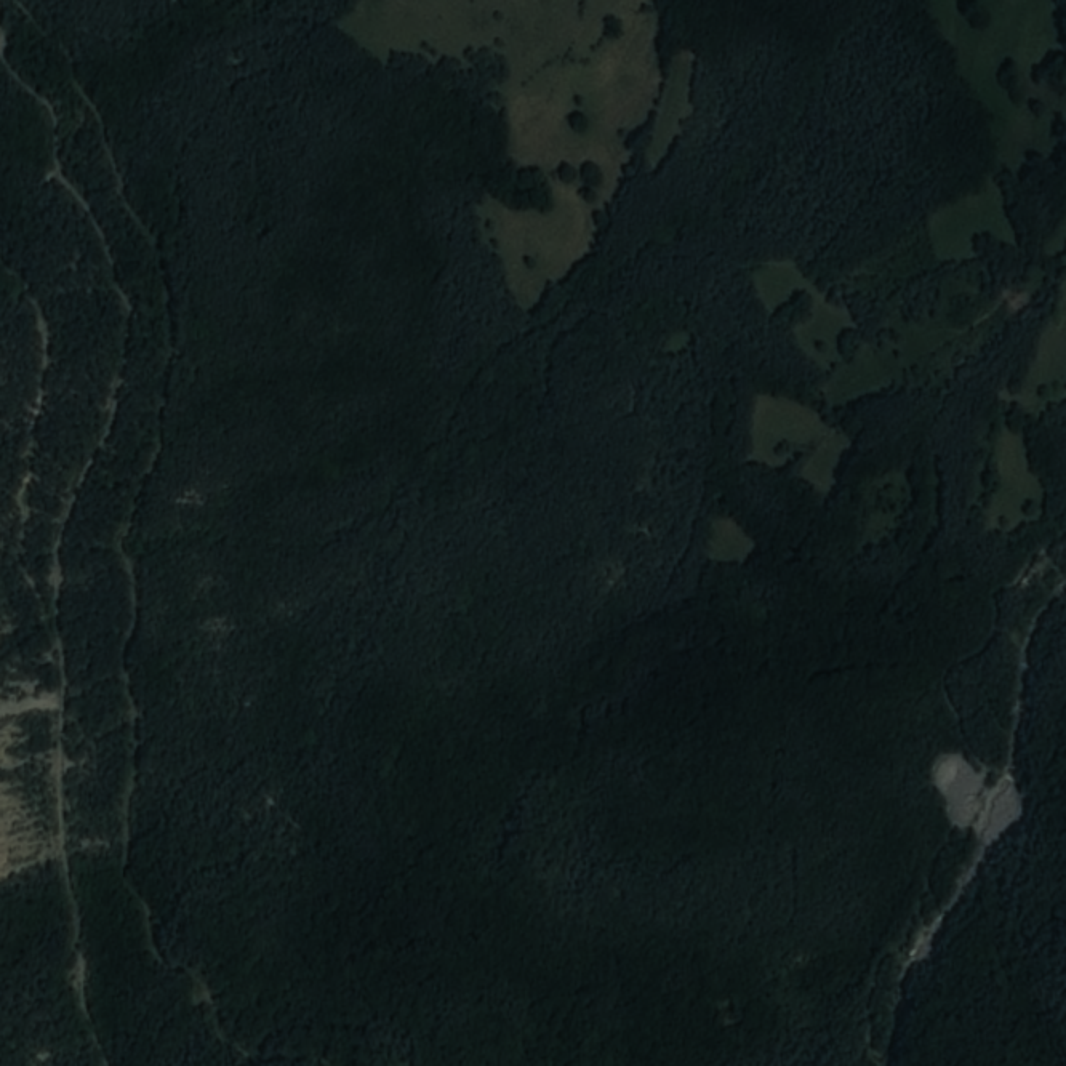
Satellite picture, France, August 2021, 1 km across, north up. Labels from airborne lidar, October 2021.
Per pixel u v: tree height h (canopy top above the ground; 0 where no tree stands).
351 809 18
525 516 16
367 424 18
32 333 16
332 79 18
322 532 13
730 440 18
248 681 13
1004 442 0
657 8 9
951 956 18
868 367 0
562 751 24
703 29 22
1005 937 21
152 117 14
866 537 16
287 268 15
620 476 13
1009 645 10
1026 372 14
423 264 18
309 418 19
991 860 14
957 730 14
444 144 18
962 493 18
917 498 17
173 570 9
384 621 12
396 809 20
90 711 15
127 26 11
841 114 16
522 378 19
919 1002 19
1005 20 0
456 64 13
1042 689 19
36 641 17
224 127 17
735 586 12
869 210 15
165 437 11
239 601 12
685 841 14
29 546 15
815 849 17
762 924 15
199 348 19
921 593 28
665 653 24
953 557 24
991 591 15
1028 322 12
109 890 16
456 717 13
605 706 15
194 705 11
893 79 18
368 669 16
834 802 15
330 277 19
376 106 18
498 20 7
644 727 27
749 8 23
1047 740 19
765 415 0
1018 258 19
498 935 18
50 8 16
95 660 18
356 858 21
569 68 0
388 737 16
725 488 21
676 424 14
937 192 18
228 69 12
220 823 11
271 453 14
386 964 26
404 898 23
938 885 18
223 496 7
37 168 13
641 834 17
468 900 21
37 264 18
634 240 18
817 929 17
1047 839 19
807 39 24
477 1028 14
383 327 16
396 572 13
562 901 10
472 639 16
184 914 26
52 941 20
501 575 14
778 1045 27
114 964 15
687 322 17
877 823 17
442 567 15
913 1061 29
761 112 17
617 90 0
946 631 24
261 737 12
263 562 14
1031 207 22
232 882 20
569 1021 22
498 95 12
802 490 24
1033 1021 17
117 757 13
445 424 16
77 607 21
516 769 22
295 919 24
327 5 16
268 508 15
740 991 25
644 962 27
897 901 17
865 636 28
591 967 22
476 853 17
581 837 11
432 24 0
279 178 18
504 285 12
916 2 24
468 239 15
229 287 16
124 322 19
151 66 15
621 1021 24
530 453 13
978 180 23
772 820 15
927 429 16
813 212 11
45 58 15
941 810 20
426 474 15
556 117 0
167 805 11
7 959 14
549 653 19
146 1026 19
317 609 7
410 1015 20
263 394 15
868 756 23
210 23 20
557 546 18
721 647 26
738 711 26
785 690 21
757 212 14
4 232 15
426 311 18
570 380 18
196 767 13
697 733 24
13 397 12
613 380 14
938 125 26
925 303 14
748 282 15
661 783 18
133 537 9
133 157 12
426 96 19
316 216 16
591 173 19
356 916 18
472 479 16
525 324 17
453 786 16
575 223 0
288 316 13
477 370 18
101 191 12
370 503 15
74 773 9
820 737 20
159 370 22
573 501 15
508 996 14
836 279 13
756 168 18
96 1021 14
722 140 15
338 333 13
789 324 13
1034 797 15
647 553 12
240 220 18
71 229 15
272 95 20
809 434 0
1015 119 0
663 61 11
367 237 19
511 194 23
